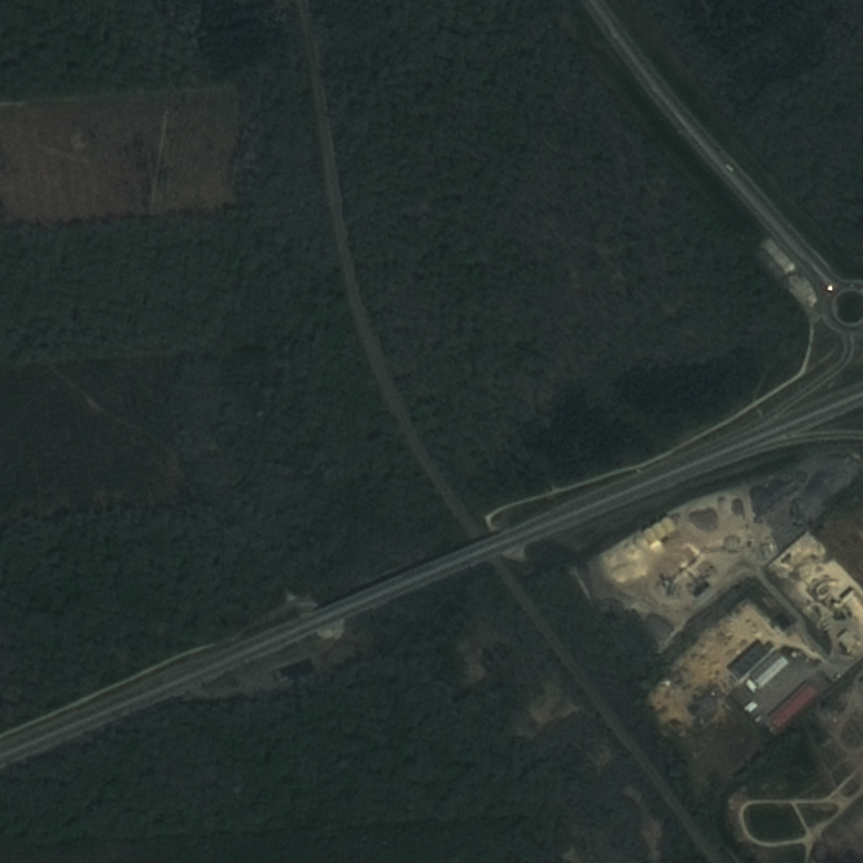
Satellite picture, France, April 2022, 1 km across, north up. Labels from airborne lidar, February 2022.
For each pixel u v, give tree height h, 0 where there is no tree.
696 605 0
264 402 16
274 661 0
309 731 25
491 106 26
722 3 27
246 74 19
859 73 27
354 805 23
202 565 26
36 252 23
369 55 25
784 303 26
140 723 26
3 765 0
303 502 7
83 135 0
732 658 0
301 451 13
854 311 0
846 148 29
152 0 20
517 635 16
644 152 22
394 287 26
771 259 0
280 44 26
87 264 21
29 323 22
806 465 0
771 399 0
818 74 26
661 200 29
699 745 0
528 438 21
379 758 25
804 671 0
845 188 28
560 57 26
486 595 25
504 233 30
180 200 0
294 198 16
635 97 0
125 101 0
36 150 0
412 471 23
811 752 0
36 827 19
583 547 0
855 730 0
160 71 24
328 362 28
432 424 26
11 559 23
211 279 24
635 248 26
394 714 24
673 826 18
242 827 23
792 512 0
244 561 21
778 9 28
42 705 25
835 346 0
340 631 0
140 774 25
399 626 8
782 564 0
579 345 31
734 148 0
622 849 8
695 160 0
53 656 21
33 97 25
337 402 27
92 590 24
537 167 27
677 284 27
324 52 13
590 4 0
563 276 30
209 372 22
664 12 23
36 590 24
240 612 27
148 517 21
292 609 0
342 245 0
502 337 26
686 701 0
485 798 27
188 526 28
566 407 20
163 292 23
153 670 0
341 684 23
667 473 0
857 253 26
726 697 0
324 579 8
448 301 27
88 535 20
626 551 0
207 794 23
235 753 24
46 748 0
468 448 26
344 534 8
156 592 23
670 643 0
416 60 31
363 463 24
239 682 0
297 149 18
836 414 0
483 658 0
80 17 25
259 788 20
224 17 23
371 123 28
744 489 0
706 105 0
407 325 26
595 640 26
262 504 5
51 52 24
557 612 27
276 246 15
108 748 25
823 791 0
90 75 24
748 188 0
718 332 28
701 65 24
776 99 25
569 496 0
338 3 24
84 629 25
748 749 0
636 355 29
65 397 5
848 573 0
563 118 26
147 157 0
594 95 28
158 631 23
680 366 24
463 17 24
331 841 9
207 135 0
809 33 25
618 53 0
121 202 0
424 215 28
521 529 0
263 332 18
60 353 25
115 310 22
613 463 18
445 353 25
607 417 21
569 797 20
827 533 0
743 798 0
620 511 0
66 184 0
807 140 29
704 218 24
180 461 6
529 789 28
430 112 28
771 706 0
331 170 0
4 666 30
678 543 0
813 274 0
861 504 0
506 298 26
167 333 24
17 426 5
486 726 7
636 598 0
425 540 27
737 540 0
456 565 0
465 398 28
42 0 25
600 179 24
